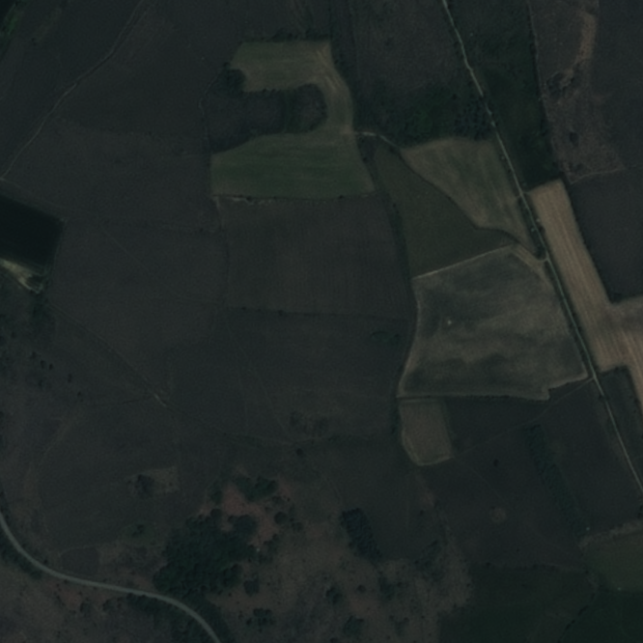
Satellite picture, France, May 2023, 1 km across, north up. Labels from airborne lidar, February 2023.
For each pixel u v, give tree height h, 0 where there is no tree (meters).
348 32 0
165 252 0
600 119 0
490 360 0
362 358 0
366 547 17
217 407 0
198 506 0
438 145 0
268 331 0
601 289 0
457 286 0
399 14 0
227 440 0
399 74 0
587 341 0
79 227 0
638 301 0
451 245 0
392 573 0
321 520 0
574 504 8
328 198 0
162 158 0
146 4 0
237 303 0
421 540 0
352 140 0
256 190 0
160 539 0
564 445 0
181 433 0
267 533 0
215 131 0
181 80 0
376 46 0
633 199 0
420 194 0
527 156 0
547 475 7
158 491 0
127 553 0
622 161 0
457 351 0
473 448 0
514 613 0
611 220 0
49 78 0
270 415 0
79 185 0
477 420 0
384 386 0
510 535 0
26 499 0
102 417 0
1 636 0
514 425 0
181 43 0
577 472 0
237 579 14
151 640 0
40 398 0
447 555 0
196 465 0
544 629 0
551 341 0
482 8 0
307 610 0
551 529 0
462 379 0
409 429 0
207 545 6
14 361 0
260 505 0
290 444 0
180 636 8
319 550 0
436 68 0
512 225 0
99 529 0
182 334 0
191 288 0
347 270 0
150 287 0
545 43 0
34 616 0
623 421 0
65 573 0
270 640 0
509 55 0
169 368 0
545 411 0
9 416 0
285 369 0
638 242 0
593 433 0
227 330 0
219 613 9
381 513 0
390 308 0
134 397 0
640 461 0
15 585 0
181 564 11
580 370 0
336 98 0
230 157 0
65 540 0
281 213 0
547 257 0
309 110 0
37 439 0
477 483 0
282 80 0
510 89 0
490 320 0
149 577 0
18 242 0
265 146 0
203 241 0
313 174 0
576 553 0
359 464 0
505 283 0
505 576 0
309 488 0
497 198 0
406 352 0
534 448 7
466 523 0
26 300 0
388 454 0
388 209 0
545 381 0
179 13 0
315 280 0
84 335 0
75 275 0
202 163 0
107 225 0
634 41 0
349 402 0
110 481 0
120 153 0
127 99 0
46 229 0
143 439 0
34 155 0
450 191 0
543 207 0
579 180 0
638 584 0
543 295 0
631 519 0
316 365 0
